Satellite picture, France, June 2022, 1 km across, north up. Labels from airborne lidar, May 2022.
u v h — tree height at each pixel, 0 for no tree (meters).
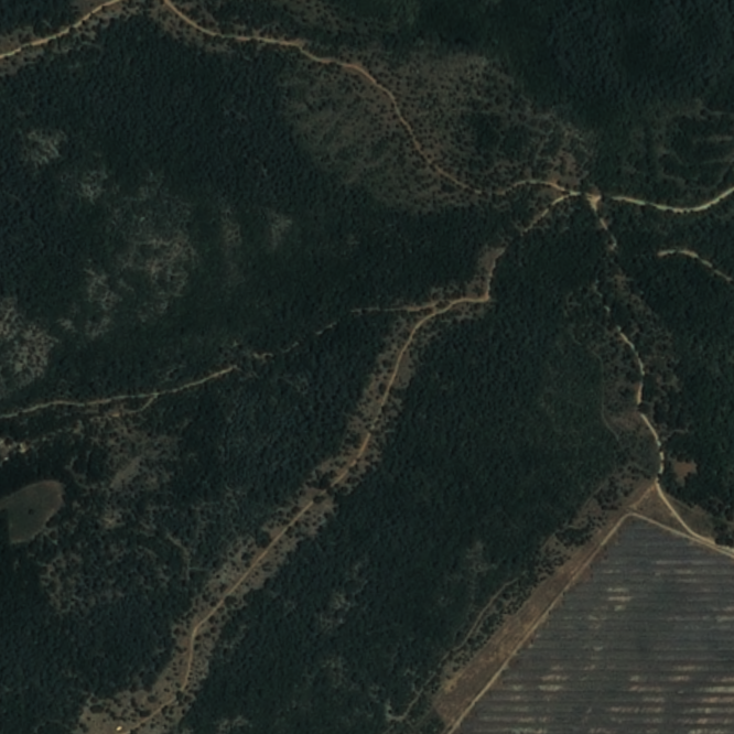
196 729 11
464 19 11
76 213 12
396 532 15
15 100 11
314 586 14
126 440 12
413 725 7
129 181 6
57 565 13
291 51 7
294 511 8
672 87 11
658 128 7
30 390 6
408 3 10
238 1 9
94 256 13
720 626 0
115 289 11
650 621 0
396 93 7
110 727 0
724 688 0
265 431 7
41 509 0
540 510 6
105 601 10
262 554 0
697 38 14
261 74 13
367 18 8
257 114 18
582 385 6
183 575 8
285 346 14
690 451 12
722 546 10
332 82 6
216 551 7
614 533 0
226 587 7
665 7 6
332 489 10
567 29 20
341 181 11
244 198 13
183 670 0
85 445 8
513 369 17
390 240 8
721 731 0
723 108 8
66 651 15
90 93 14
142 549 6
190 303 8
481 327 10
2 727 7
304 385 9
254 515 6
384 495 9
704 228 11
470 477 12
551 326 9
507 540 6
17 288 6
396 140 8
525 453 7
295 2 11
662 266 17
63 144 7
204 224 6
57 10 13
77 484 11
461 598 7
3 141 14
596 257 13
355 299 12
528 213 12
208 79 12
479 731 0
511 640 0
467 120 15
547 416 6
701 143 6
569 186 8
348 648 13
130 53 13
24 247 14
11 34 9
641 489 0
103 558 15
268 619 11
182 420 12
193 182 11
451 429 6
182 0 6
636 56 16
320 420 18
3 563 10
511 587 6
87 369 8
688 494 16
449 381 8
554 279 14
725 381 11
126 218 5
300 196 12
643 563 0
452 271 8
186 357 15
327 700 9
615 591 0
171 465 7
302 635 16
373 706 11
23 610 15
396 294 14
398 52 7
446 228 9
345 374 6
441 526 12
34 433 12
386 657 6
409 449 14
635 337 8
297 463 11
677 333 6
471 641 10
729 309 11
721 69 13
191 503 13
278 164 13
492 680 0
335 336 10
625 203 7
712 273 18
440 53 7
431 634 6
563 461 8
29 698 6
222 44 6
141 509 13
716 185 10
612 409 8
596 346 9
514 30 11
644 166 13
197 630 0
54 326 7
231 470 7
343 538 11
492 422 8
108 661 11
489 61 8
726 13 15
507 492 9
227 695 14
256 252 6
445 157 7
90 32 7
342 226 12
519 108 9
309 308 7
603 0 15
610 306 18
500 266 12
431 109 9
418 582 8
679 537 0
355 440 8
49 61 15
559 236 15
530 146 7
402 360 0
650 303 16
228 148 14
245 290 6
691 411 9
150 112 19
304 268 6
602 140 9
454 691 0
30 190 17
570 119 6
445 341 12
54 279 7
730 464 13
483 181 6
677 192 10
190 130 14
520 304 19
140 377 11
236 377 10
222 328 6
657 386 12
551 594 0
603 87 9
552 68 12
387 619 12
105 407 6
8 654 14
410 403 16
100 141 6
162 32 16
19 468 11
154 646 15
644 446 6
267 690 6
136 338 6
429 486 7
